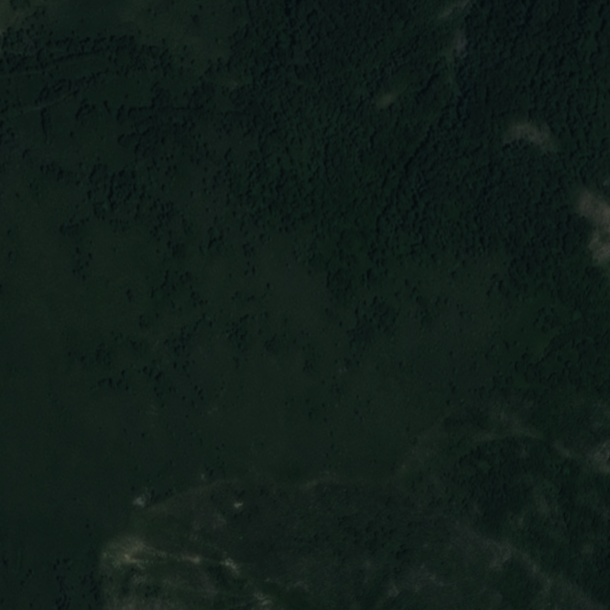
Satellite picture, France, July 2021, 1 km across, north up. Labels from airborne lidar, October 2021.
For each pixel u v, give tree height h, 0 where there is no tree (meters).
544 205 18
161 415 0
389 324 11
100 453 0
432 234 8
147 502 0
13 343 0
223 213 0
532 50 21
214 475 8
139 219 11
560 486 14
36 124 0
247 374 0
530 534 11
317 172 10
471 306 0
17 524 0
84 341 0
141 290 0
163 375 11
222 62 14
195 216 0
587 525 15
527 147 9
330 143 13
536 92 19
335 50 15
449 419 7
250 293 0
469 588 10
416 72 16
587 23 18
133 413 0
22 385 0
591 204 0
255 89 14
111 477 0
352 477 0
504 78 20
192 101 13
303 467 0
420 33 12
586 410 8
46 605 0
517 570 9
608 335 12
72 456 0
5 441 0
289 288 0
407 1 25
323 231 7
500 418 12
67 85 11
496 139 17
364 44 20
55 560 0
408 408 0
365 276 7
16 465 0
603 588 13
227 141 0
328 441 0
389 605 7
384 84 17
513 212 19
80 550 0
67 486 0
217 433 0
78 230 11
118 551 0
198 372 0
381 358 7
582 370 16
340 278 15
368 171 18
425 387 0
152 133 17
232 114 14
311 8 20
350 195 10
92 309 0
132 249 0
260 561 0
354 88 10
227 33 0
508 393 11
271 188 8
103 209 14
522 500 15
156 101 14
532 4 12
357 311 6
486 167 17
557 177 15
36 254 0
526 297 7
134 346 10
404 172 9
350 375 0
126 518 0
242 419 0
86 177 7
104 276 0
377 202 14
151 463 0
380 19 19
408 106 13
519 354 0
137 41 14
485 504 13
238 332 10
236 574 7
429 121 11
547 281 14
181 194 0
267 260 0
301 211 16
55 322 0
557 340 12
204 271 0
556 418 16
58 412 0
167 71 12
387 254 11
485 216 17
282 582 0
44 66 13
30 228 0
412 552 6
